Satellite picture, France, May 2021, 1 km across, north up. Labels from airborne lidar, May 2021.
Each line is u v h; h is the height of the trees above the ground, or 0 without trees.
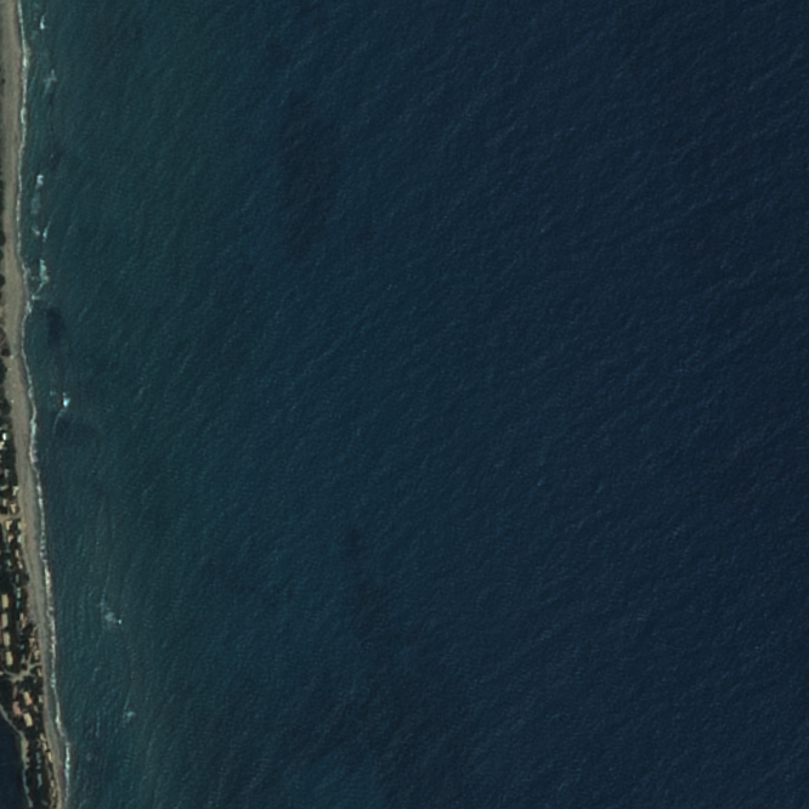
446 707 0
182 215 0
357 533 0
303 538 0
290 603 0
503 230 0
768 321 0
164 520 0
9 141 0
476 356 0
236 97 0
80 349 0
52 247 0
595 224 0
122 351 0
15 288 0
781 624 0
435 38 0
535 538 0
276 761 0
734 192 0
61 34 0
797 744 0
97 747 0
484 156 0
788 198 0
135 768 0
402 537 0
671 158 0
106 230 0
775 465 0
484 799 0
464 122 0
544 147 0
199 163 0
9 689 7
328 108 0
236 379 0
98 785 0
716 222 0
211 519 0
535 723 0
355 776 0
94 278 0
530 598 0
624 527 0
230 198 0
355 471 0
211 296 0
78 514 0
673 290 0
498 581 0
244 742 0
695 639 0
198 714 0
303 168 0
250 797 0
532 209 0
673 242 0
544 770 0
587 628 0
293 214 0
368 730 0
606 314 0
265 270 0
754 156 0
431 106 0
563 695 0
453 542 0
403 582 0
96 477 0
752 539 0
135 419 0
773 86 0
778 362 0
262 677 0
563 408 0
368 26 0
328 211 0
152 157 0
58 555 0
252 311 0
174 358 0
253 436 0
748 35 0
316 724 0
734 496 0
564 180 0
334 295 0
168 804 0
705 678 0
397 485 0
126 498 0
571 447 0
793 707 0
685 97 0
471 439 0
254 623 0
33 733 6
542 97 0
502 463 0
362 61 0
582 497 0
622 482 0
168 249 0
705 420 0
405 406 0
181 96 0
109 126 0
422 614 0
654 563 0
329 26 0
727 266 0
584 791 0
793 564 0
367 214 0
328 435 0
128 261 0
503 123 0
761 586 0
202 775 0
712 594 0
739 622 0
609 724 0
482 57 0
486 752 0
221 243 0
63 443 0
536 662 0
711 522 0
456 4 0
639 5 0
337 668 0
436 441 0
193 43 0
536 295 0
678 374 0
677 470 0
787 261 0
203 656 0
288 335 0
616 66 0
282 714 0
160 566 0
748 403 0
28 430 0
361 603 0
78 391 0
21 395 0
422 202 0
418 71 0
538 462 0
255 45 0
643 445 0
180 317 0
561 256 0
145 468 0
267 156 0
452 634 0
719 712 0
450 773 0
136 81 0
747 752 0
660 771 0
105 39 0
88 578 0
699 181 0
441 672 0
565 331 0
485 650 0
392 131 0
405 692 0
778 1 0
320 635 0
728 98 0
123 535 0
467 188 0
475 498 0
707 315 0
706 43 0
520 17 0
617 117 0
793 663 0
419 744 0
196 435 0
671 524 0
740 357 0
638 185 0
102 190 0
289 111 0
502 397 0
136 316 0
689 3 0
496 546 0
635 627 0
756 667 0
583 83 0
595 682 0
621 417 0
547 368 0
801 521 0
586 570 0
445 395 0
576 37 0
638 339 0
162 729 0
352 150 0
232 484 0
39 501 0
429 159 0
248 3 0
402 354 0
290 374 0
